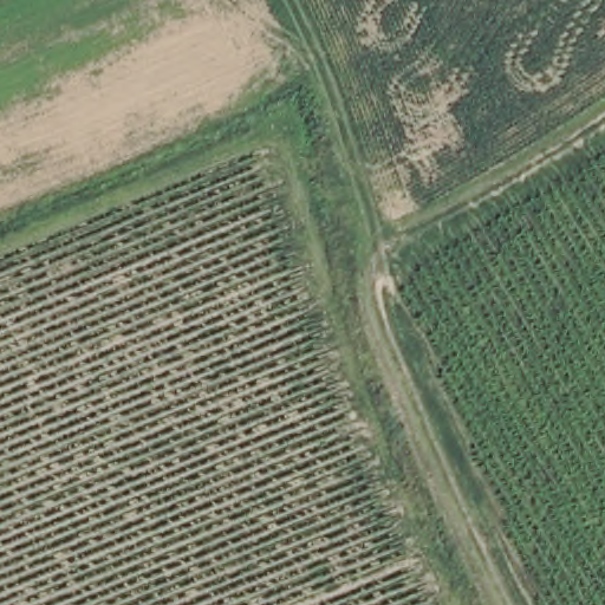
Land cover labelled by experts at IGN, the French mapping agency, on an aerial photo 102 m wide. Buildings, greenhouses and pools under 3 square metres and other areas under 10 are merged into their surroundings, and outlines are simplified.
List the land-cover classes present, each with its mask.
<instances>
[{"label":"vineyard","instance_id":"1","mask_svg":"<svg viewBox=\"0 0 605 605\"><path fill-rule=\"evenodd\" d=\"M475 210L482 225L466 229V234L447 241L442 248L430 251L428 258H418L414 262L411 274L397 284V291L402 295L397 305L409 317L414 336L423 345L428 385L435 390L442 409L451 418V428L458 437L466 458L470 456L482 468L499 503L503 506L501 527L506 536L515 544V551L522 560V579L532 591L529 605H605V147L596 149V154L588 156H584L577 149L572 156H565L562 161L539 170L522 184H515L501 196L477 206ZM291 180L286 168H269V158L255 161L253 154H243L229 161L227 165H217L215 173H196L180 182H173L154 194L130 201L125 208L116 206L99 215H92L85 225L59 229L50 236L35 234L31 239L33 243H19L17 251L0 255V605H458L449 584L437 574L440 562L425 555L428 536L435 532V520L440 518V513L435 518H414V508L406 501V494L397 480L383 482L380 475L366 473L371 466H380V461H385V437L376 423L362 421L352 409V388L338 373L340 352L331 350V345L312 343V338L331 336L333 326L340 319L324 321L321 312H317L321 305L317 303V298H310L303 288H293L291 277H286L284 272L303 262L307 248L305 227H293L291 222Z\"/></svg>","mask_w":605,"mask_h":605},{"label":"herbaceous vegetation","instance_id":"2","mask_svg":"<svg viewBox=\"0 0 605 605\"><path fill-rule=\"evenodd\" d=\"M274 19L281 24V38H286L300 52L295 64L300 73L279 85L272 95H243L251 102L243 111L215 116L206 118L196 130L182 137L156 144L149 151L118 163L90 177L76 180L66 187L45 191L35 199L21 201L9 208H0V255L17 251L19 243H33L31 239L35 234L50 236L59 229L85 225L92 215H99L116 206L125 208L130 201L154 194L173 182H180L196 173H215L217 165H227L229 161L243 154H253L255 161L269 158V168H286L291 180V222L293 227H305L307 248L303 262L284 272L286 277H291L293 288H303L310 298H317V303L321 305L317 312H321L324 321L340 319L333 326L331 336L312 338V343L331 345V350L340 352L338 373L352 388V409L362 421L376 423L385 437V461H380V466H371L366 473L380 475L383 482L397 480L406 494V501L414 508V518H435L440 513V518L435 520V532L428 536L425 555L440 562L437 574L449 584L458 605H529L532 591L522 579V560L515 551V544L506 536L501 527L503 506L499 503L482 468L470 456L466 458L458 437L451 428V418L442 409L435 390L428 385L423 345L414 336L409 317L397 305L402 295L397 291V284L411 274L414 262L418 258H428L430 251L442 248L447 241L466 234V229L482 225L475 210L477 206L501 196L515 184H522L539 170L562 161L565 156H572L577 149L584 156H588L596 154V149L605 147V97L596 99L581 113L572 116L565 125H558L541 142L515 151L501 163L489 165L468 184L437 194L430 208L416 206L411 213L402 217L388 220L383 210L371 201V175L376 163H366L362 158V151L357 149L352 123L343 104V95L333 78L331 59L321 50L305 0H265Z\"/></svg>","mask_w":605,"mask_h":605},{"label":"agricultural land","instance_id":"3","mask_svg":"<svg viewBox=\"0 0 605 605\"><path fill-rule=\"evenodd\" d=\"M227 12H236L248 21L251 38L262 40L272 50V57L279 61V66H267L260 73H253L241 87L236 104L220 109L215 116L243 111L251 102L243 95H272L279 85L300 73L295 64L300 52L286 38H281V24L274 19L265 0H0V111L14 104H28L33 99L59 97L61 90L47 83L54 76H66L69 71L78 69L85 76H102L104 64L113 66L125 52L132 50L135 43H144L151 33L161 31L168 24V19H225ZM321 50L331 59L333 78L343 95V104L352 123L357 149L362 151V158L366 163H376L371 175V201L383 210L388 220L402 217L411 213L416 206L430 208L437 194L468 184L489 165L501 163L515 151L541 142L558 125H565L572 116L581 113L596 99L605 97V0H305ZM206 118L215 116H210L203 104H191L175 116L173 123L177 128L128 130L113 151V158L118 163L149 151L156 144L182 137L196 130ZM45 158H50V147L21 154L17 161L0 165V175H33Z\"/></svg>","mask_w":605,"mask_h":605},{"label":"plowed land","instance_id":"4","mask_svg":"<svg viewBox=\"0 0 605 605\"><path fill-rule=\"evenodd\" d=\"M267 66H279V61L272 57V50L262 40L251 38L248 21L236 12H227L225 19H168V24L161 31L151 33L144 43H135L132 50L125 52L113 66L104 64L102 76H85L78 69L69 71L66 76H54L47 83L61 90L59 97L33 99L28 104H14L0 111V165L17 161L21 154L50 147V158H45L33 175H0V208H9L21 201L35 199L45 191L66 187L76 180L90 177L118 163L113 158V151L128 130L177 128L173 123L175 116L191 104H203L210 116H215L220 109L236 104L241 87L253 73H260Z\"/></svg>","mask_w":605,"mask_h":605}]
</instances>
